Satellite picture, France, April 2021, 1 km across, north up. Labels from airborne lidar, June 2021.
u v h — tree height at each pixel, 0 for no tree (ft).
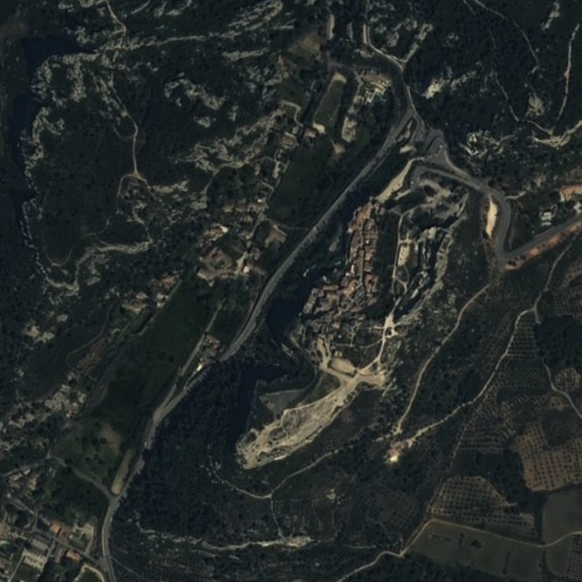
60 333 39
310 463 21
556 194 36
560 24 0
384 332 0
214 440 28
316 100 34
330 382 0
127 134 25
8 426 0
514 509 25
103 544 0
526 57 30
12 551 33
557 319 33
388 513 0
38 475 0
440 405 31
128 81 21
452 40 31
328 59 39
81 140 0
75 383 53
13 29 0
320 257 34
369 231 0
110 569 0
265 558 52
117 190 0
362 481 22
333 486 0
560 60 0
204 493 24
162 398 28
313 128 28
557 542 0
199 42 42
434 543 0
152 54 28
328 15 49
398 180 0
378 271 36
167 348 0
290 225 25
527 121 21
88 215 0
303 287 26
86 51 34
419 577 20
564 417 0
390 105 23
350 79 45
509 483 29
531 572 0
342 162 28
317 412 0
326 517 0
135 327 19
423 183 0
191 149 0
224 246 45
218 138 0
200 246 25
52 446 25
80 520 40
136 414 0
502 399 20
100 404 0
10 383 20
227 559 18
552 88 28
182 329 0
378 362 0
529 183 41
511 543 0
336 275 25
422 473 39
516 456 47
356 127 24
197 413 40
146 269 41
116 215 0
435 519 0
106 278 21
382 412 33
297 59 32
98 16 18
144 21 19
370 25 40
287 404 0
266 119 0
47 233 0
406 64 0
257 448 0
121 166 18
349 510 0
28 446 26
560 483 0
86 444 29
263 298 0
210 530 42
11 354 20
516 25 32
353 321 0
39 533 27
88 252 40
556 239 0
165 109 28
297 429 0
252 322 0
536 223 40
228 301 27
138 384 0
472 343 22
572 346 43
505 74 39
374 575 44
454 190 26
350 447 20
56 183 0
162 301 19
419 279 0
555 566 0
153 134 32
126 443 25
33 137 0
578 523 0
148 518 40
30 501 24
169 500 50
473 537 0
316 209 32
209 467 20
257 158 24
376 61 50
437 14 27
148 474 33
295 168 0
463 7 34
